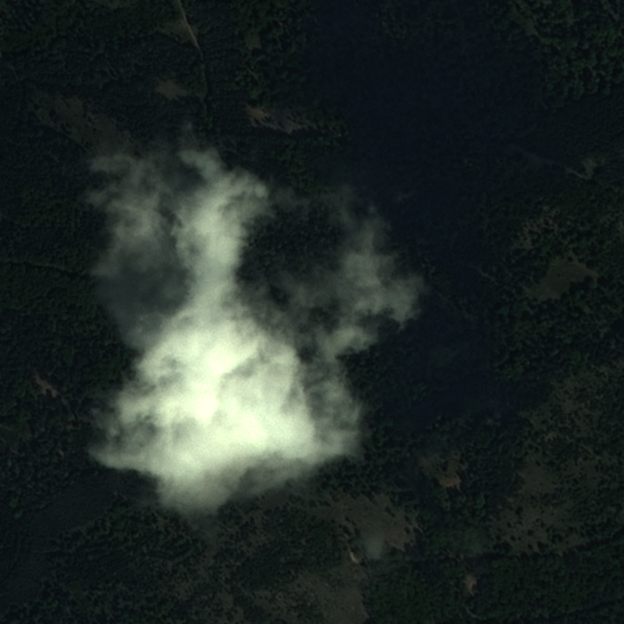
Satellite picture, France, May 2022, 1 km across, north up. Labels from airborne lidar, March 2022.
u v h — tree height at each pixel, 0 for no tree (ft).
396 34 79
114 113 67
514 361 75
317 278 106
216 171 103
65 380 90
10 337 85
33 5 118
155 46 77
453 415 52
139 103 65
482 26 88
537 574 83
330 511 0
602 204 27
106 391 103
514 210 23
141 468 73
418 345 52
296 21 85
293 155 84
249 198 60
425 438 87
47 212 74
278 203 91
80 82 52
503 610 81
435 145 60
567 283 0
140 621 43
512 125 73
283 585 18
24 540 69
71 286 77
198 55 72
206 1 57
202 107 61
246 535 25
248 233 97
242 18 45
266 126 0
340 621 0
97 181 89
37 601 32
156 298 86
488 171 27
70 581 38
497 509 84
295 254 91
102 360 95
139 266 60
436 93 74
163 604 47
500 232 24
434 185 25
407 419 80
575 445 19
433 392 67
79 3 18
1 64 80
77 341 83
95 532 41
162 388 91
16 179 88
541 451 28
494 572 81
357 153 73
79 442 25
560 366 86
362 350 99
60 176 90
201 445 69
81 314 83
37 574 60
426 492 94
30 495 80
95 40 45
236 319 100
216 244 77
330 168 78
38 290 66
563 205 26
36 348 68
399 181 92
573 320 110
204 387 96
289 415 98
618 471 27
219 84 66
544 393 24
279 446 51
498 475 80
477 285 40
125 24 47
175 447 78
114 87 71
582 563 71
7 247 68
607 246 67
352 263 95
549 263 35
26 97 73
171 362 98
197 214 68
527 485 0
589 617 76
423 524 83
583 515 23
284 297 79
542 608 84
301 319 89
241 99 75
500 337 84
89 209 78
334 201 67
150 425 83
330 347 94
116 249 93
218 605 20
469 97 60
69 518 50
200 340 118
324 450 35
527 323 71
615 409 24
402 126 21
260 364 89
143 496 62
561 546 0
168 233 0
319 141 89
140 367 94
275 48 36
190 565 22
